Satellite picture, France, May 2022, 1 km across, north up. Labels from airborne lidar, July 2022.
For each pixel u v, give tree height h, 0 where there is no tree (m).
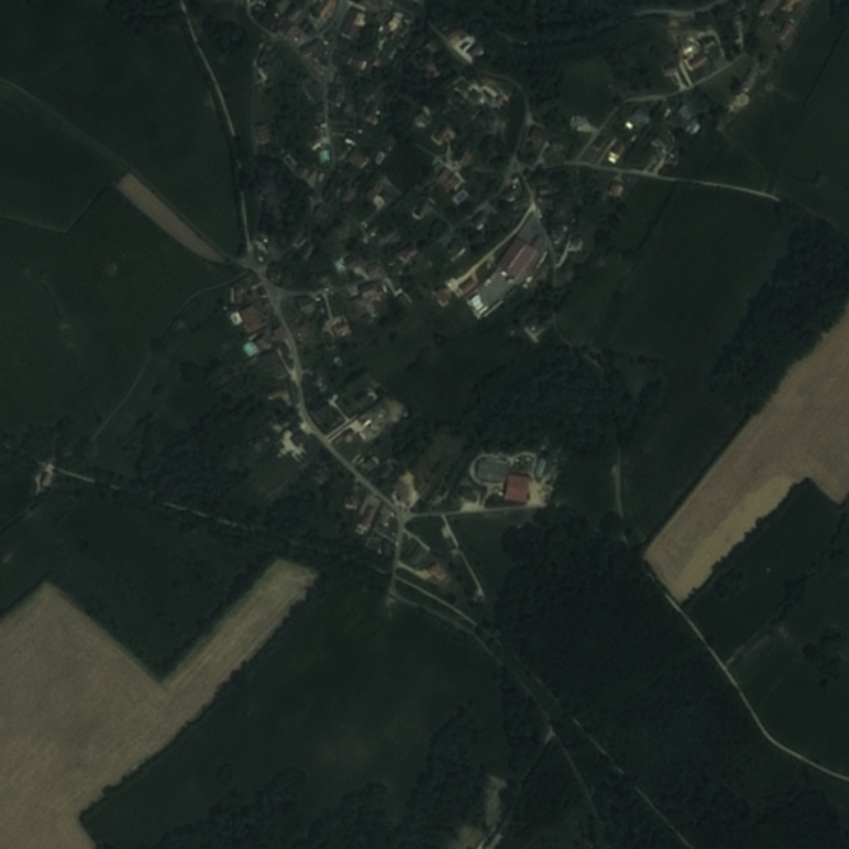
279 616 0
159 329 0
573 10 14
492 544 0
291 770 9
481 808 20
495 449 10
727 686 9
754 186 0
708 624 0
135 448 6
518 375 0
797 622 0
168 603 0
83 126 0
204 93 0
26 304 0
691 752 15
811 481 11
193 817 0
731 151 0
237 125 0
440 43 11
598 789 11
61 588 7
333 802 0
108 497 14
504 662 17
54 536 0
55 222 0
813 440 0
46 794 0
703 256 0
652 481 0
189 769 0
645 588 10
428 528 0
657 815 17
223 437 0
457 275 0
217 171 0
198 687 0
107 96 0
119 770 0
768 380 21
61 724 0
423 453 16
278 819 22
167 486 22
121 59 0
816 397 0
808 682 0
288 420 14
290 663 0
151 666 7
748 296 0
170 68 0
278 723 0
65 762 0
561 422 24
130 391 0
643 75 9
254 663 8
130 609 0
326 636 0
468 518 0
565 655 15
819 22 0
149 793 0
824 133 0
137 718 0
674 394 0
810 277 27
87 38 0
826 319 23
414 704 0
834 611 0
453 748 25
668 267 0
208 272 0
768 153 0
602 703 13
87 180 0
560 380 23
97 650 0
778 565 0
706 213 0
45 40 0
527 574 16
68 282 0
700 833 24
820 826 12
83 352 0
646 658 13
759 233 0
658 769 15
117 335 0
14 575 0
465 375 0
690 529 0
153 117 0
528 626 15
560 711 19
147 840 0
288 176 19
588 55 14
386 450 0
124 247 0
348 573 17
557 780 11
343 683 0
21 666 0
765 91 0
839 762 0
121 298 0
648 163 0
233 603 11
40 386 0
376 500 0
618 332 0
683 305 0
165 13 12
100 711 0
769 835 13
